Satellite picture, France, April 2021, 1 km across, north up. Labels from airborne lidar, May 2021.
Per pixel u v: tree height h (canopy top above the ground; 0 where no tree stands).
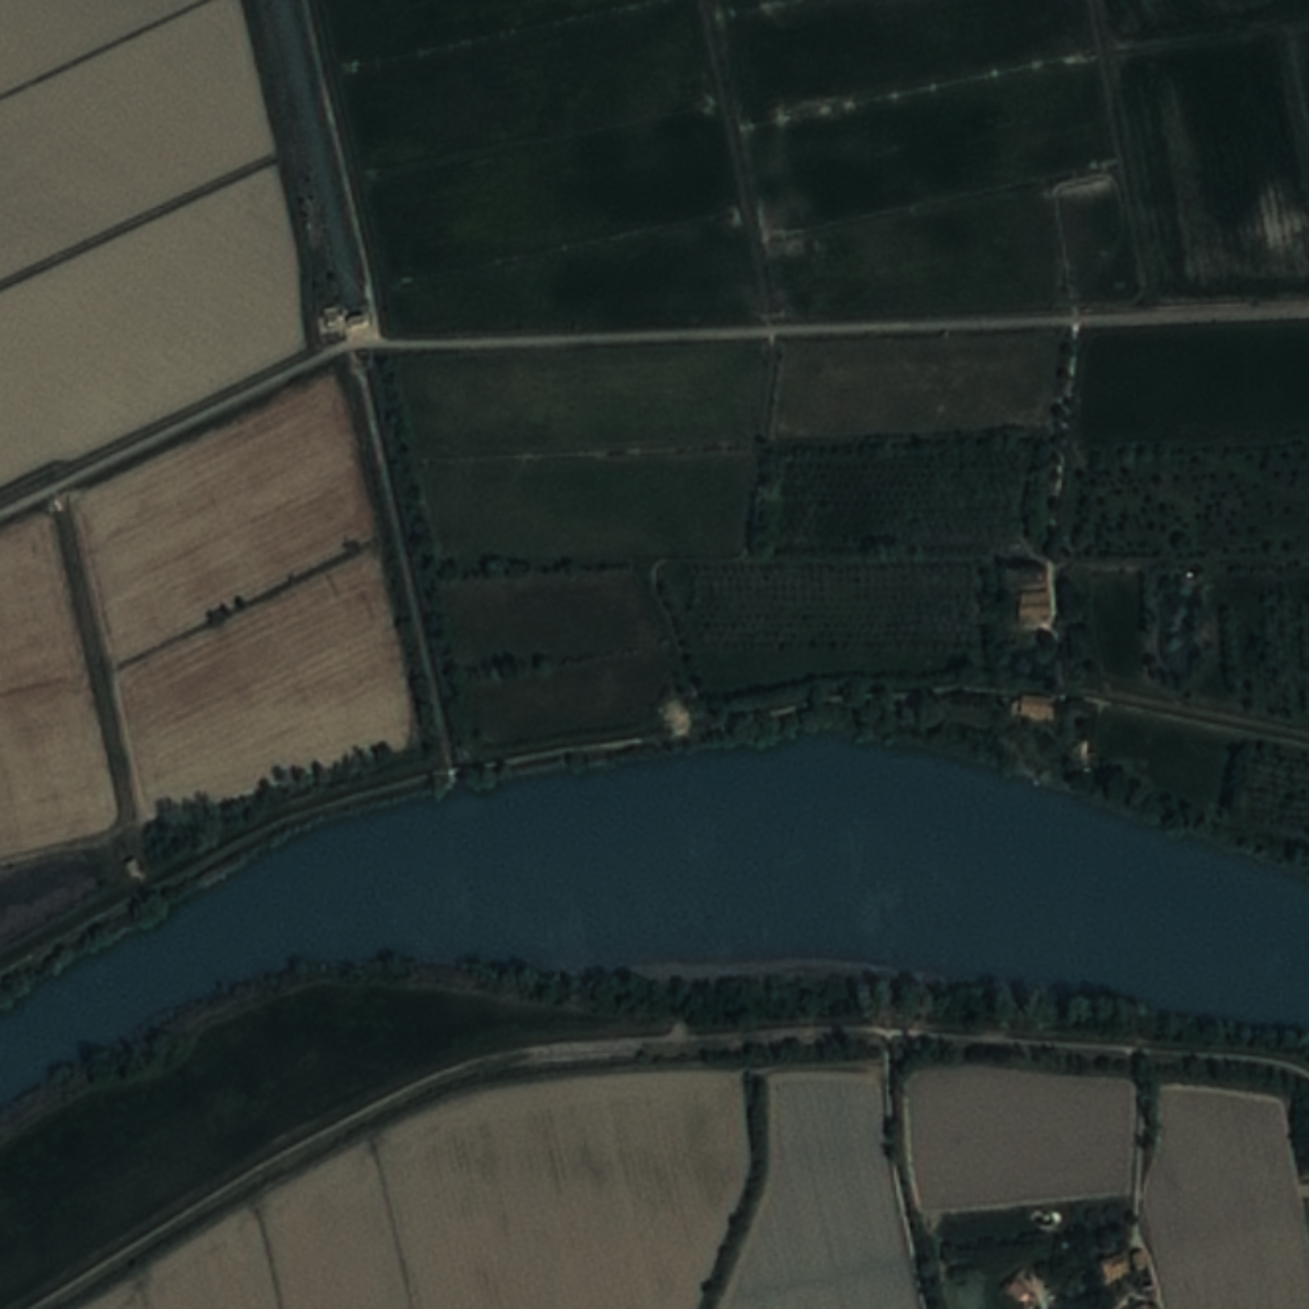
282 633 0
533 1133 0
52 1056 0
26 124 0
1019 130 0
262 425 0
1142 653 0
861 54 0
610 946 0
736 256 0
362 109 0
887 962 0
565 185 0
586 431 0
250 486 0
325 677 0
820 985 7
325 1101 0
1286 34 0
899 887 0
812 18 0
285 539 0
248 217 0
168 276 0
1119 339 0
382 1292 0
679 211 0
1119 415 0
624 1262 0
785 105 0
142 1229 0
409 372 0
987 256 0
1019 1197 0
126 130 0
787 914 0
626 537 0
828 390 0
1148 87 0
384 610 0
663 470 0
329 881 0
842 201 0
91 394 0
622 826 0
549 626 0
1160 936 0
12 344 0
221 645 0
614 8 0
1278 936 0
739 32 0
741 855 0
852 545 9
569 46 0
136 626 0
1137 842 0
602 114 0
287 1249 0
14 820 0
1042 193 0
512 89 0
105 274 0
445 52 0
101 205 0
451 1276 0
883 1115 0
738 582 7
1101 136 0
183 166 0
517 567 11
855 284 0
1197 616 12
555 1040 0
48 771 0
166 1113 0
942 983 9
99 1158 0
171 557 0
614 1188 0
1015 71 0
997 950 0
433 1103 0
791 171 0
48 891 0
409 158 0
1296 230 0
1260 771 9
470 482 0
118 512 0
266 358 0
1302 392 0
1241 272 0
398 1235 0
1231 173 0
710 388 0
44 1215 0
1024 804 0
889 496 7
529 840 0
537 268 0
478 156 0
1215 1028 17
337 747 0
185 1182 0
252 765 0
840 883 0
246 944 0
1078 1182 0
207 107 0
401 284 0
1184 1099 0
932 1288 16
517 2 0
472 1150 0
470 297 0
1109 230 0
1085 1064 7
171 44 0
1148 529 8
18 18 0
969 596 14
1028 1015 26
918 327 0
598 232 0
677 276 0
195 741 0
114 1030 0
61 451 0
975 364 0
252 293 0
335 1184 0
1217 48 0
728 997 13
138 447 0
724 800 0
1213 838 11
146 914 17
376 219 0
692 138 0
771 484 13
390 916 0
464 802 0
